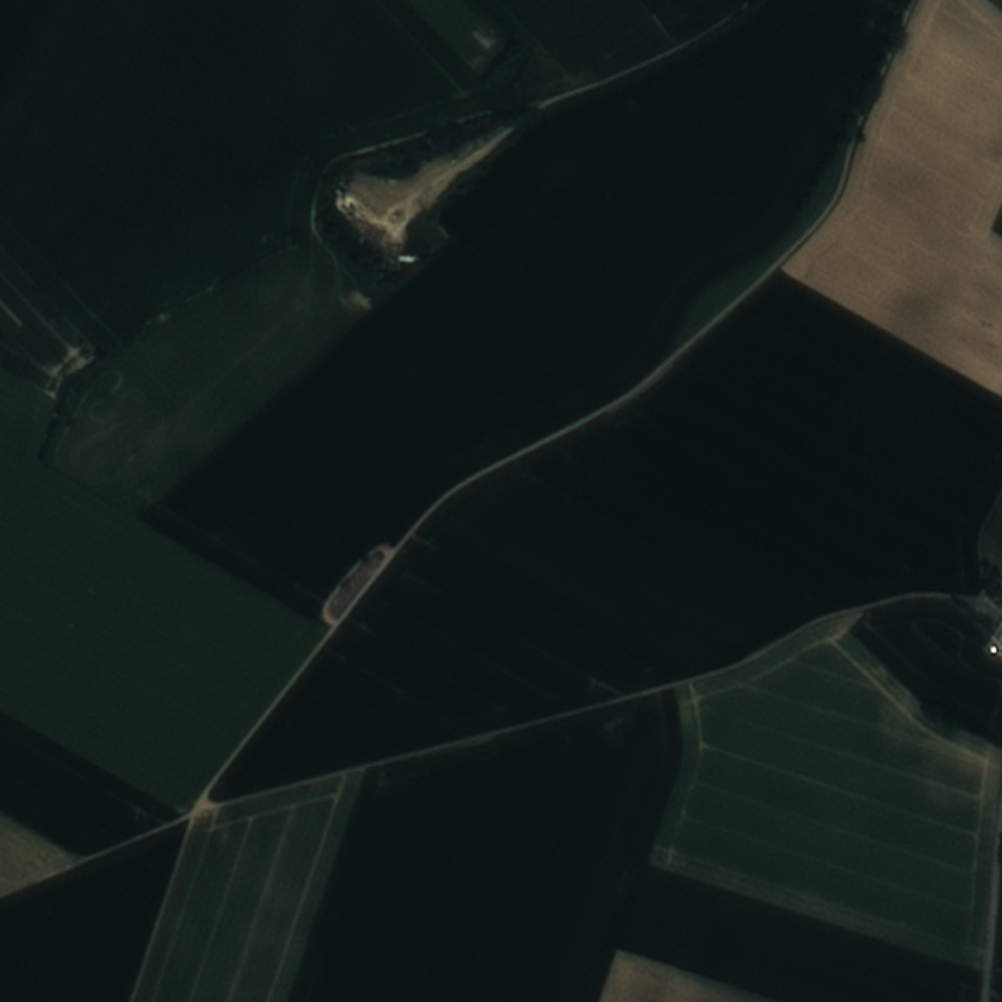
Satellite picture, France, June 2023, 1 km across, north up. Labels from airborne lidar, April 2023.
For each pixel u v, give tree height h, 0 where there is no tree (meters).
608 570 0
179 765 0
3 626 0
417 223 0
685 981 0
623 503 0
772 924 0
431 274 0
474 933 0
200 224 0
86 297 0
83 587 0
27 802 0
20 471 0
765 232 0
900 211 0
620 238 0
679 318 0
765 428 0
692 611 0
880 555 0
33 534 0
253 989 0
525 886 0
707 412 0
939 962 0
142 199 0
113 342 0
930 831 0
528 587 0
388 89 0
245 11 0
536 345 0
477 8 0
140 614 0
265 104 0
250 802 0
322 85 0
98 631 0
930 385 0
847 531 0
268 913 0
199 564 0
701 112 0
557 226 0
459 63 0
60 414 11
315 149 0
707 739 0
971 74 0
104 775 0
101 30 0
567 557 0
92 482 0
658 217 0
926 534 0
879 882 0
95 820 0
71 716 0
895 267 0
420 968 0
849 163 0
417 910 0
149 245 0
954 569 0
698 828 0
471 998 0
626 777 0
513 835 0
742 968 0
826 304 0
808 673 0
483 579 0
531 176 0
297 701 0
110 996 0
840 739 0
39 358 0
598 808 0
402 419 0
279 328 0
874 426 0
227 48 0
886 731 0
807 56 0
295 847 0
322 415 0
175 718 0
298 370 0
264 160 0
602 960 0
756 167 0
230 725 0
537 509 0
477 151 0
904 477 0
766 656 0
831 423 0
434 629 0
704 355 0
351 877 0
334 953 0
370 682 0
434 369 0
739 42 0
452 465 0
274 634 0
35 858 0
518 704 0
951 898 0
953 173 0
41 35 0
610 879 0
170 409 0
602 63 0
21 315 0
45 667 0
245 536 0
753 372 0
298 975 0
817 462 0
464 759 0
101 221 0
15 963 0
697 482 0
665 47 0
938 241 0
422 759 0
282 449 0
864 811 0
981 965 0
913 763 0
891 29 22
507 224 0
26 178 0
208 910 0
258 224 0
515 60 7
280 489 0
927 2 0
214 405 0
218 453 0
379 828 0
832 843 0
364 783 0
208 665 0
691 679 0
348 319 0
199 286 0
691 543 0
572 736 0
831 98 0
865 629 0
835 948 0
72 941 0
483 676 0
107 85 0
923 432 0
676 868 0
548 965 0
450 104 0
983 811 0
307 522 0
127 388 0
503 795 0
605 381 0
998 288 0
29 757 0
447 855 0
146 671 0
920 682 0
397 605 0
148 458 0
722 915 0
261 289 0
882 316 0
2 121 0
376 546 0
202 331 0
